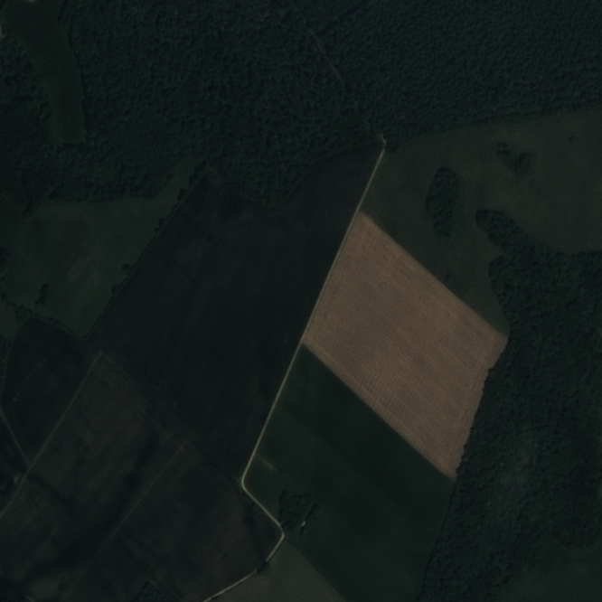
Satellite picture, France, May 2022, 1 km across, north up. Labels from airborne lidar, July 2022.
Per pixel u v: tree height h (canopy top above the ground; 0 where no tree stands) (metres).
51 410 0
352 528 0
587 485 23
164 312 0
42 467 0
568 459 18
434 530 0
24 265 0
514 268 14
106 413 0
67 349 0
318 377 0
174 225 0
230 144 25
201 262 0
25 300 0
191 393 0
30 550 0
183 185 0
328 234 0
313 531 0
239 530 0
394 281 0
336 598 0
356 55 29
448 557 12
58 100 0
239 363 0
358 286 0
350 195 0
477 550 13
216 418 0
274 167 21
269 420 0
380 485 0
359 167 0
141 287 0
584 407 15
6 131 27
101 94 21
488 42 20
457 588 16
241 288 0
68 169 25
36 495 0
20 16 0
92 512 0
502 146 7
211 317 0
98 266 0
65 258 0
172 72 21
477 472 14
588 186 0
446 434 0
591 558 0
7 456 0
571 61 17
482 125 9
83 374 0
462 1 25
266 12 21
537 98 12
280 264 0
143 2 22
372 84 31
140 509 0
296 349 0
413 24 27
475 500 14
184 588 0
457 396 0
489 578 21
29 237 0
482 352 0
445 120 21
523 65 20
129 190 7
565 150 0
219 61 17
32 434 0
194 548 0
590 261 15
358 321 0
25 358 0
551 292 13
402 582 0
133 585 0
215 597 7
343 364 0
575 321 16
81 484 0
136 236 0
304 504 16
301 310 0
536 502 16
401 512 0
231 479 0
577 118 0
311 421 0
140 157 20
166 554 0
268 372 0
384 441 0
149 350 0
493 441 11
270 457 0
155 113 19
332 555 0
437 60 26
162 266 0
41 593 0
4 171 0
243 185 16
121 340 0
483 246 0
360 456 0
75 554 0
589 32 20
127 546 0
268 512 0
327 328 0
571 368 16
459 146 0
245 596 0
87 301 0
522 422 9
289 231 0
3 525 0
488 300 0
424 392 0
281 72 20
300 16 14
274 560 0
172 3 20
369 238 0
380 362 0
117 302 0
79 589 0
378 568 0
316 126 15
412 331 0
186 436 0
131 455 0
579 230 0
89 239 0
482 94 25
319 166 0
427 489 0
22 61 21
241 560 0
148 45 23
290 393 0
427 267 0
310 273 0
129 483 0
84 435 0
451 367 0
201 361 0
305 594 0
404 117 25
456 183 12
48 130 10
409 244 0
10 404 0
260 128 14
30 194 20
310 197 0
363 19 27
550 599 0
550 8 21
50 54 0
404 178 0
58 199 14
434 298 0
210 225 0
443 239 8
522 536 20
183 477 0
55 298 0
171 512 0
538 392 19
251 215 0
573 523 19
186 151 18
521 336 13
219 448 0
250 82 18
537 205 0
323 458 0
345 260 0
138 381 0
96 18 20
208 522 0
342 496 0
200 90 18
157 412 0
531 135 0
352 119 19
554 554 0
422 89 26
